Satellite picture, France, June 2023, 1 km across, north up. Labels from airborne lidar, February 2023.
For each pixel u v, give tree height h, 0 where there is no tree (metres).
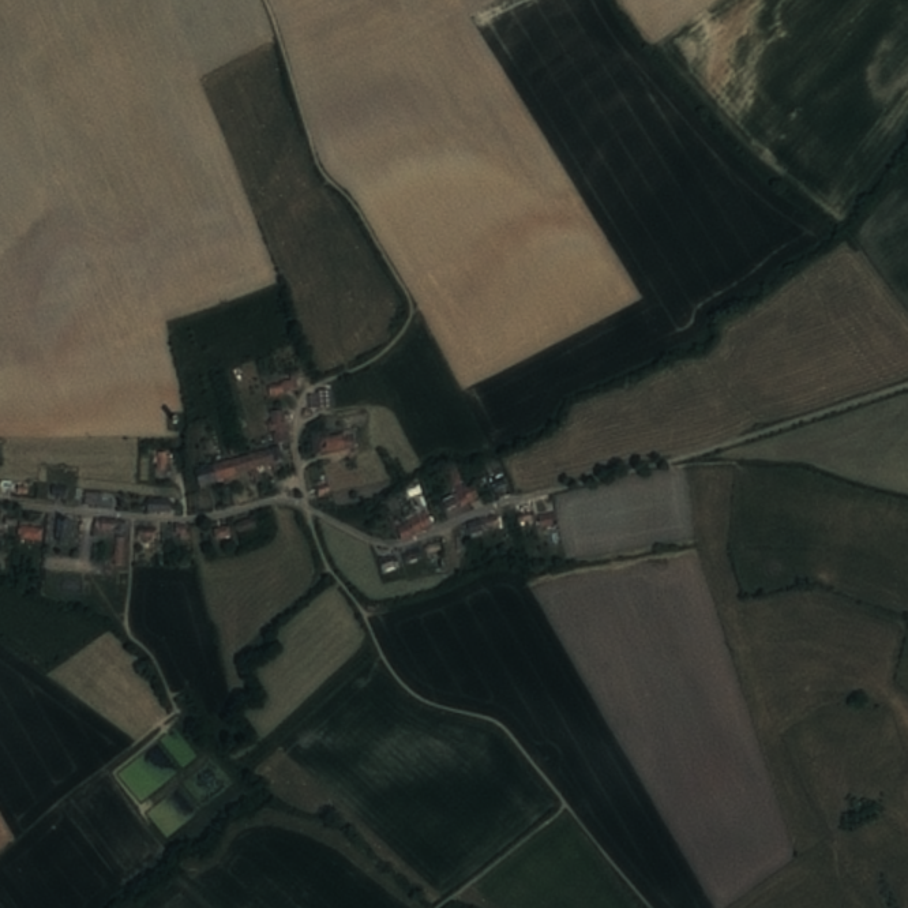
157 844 0
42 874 0
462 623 0
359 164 0
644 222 0
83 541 0
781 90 0
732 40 0
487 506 0
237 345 0
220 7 0
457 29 0
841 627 0
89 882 0
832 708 0
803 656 0
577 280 0
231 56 0
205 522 16
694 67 0
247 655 17
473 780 0
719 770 0
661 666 0
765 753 0
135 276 0
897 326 0
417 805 0
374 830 0
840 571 0
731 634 0
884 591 0
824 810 0
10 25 0
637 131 0
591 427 0
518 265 0
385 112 0
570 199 0
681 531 0
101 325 0
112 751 0
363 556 0
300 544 0
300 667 0
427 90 0
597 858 0
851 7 0
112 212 0
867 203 12
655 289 0
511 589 0
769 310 0
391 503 0
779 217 0
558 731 0
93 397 0
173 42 0
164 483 8
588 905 0
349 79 0
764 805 0
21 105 0
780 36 0
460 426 0
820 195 0
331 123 0
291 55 0
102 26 0
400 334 0
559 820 0
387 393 0
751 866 0
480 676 0
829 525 0
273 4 0
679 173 0
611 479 15
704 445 0
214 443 0
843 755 0
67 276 0
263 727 0
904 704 0
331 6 0
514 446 9
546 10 0
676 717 0
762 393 0
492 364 0
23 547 0
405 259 0
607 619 0
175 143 0
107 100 0
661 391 0
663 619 0
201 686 0
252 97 0
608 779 0
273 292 0
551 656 0
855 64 0
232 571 0
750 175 0
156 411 0
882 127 0
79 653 0
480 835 0
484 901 0
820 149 0
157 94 0
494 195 0
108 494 0
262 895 0
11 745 0
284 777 0
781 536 0
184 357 0
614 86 0
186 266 0
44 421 0
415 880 0
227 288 0
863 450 0
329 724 0
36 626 0
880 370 0
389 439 0
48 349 0
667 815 0
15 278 0
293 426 0
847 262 0
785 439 0
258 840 0
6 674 0
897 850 0
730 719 0
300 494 16
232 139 0
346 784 0
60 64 0
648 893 0
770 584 0
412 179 0
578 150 0
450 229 0
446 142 0
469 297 0
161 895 0
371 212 0
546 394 0
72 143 0
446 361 0
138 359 0
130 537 0
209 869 0
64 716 0
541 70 0
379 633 0
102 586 0
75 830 0
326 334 0
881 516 0
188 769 0
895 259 0
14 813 0
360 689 0
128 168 0
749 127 0
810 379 0
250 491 0
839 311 0
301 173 0
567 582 0
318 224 0
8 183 0
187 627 0
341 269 0
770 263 0
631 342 0
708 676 0
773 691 0
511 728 0
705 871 0
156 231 0
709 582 0
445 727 0
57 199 0
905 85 0
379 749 0
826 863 0
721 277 0
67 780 0
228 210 0
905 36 0
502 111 0
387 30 0
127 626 0
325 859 0
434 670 0
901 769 0
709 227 0
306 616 0
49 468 0
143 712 0
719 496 0
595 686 0
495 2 0
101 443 0
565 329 0
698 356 6
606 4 0
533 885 0
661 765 0
